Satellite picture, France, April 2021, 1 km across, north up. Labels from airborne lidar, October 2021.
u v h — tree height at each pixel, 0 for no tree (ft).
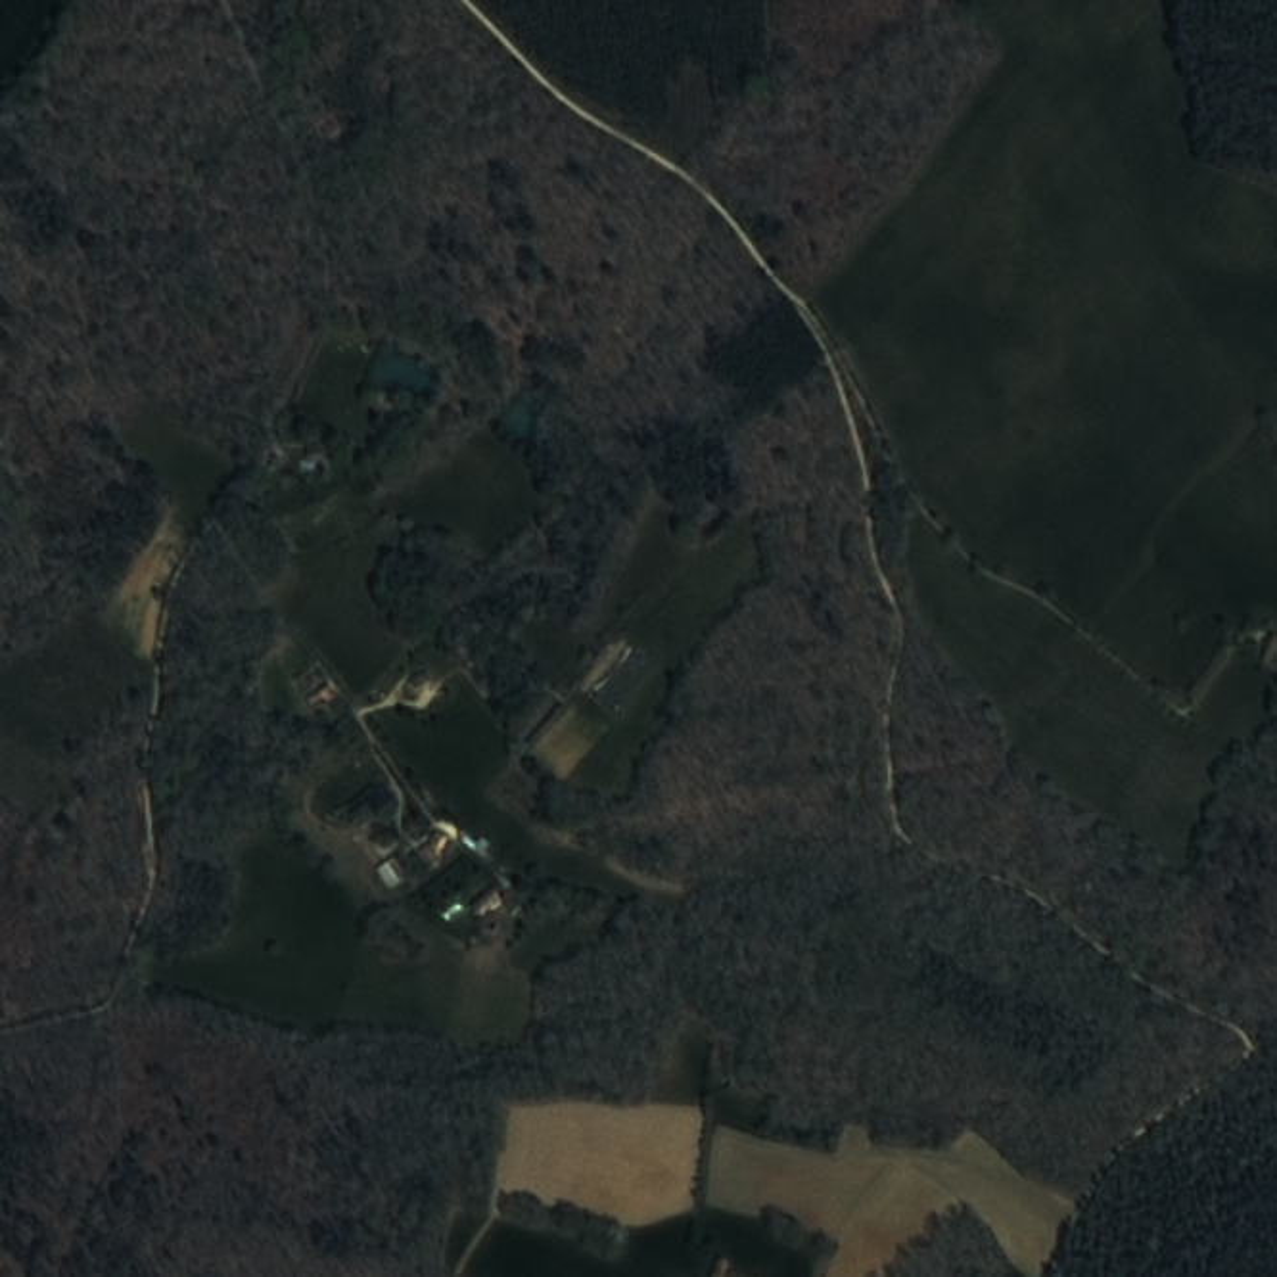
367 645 0
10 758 0
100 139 52
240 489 63
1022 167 0
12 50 0
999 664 0
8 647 31
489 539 0
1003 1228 0
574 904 37
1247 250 0
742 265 42
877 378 0
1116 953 79
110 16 41
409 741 0
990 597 0
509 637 33
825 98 54
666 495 49
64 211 64
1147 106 0
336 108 29
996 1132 74
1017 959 73
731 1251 0
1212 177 0
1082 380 0
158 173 41
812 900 80
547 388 73
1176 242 0
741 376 61
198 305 53
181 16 43
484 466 0
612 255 63
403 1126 65
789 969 66
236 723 59
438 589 65
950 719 56
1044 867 47
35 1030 56
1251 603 0
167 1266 56
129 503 81
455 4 55
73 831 65
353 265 60
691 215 47
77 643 0
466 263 70
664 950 58
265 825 68
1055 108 0
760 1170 0
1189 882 37
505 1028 0
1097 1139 66
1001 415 0
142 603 0
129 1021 46
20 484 69
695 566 0
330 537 0
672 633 0
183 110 43
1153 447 0
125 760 48
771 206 41
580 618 53
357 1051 52
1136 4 0
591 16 35
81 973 63
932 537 0
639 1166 0
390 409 32
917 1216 0
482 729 0
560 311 49
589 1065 74
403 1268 56
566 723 0
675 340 51
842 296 0
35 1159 43
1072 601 0
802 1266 0
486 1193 51
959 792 66
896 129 53
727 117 50
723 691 59
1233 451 0
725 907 67
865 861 68
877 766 39
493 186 34
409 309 71
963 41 49
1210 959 46
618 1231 54
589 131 32
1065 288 0
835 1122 45
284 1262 63
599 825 72
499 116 48
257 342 56
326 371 0
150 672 0
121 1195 47
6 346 43
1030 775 46
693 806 49
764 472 48
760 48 42
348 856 0
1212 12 82
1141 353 0
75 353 65
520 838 0
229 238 45
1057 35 0
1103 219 0
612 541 48
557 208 53
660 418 40
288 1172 49
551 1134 0
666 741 48
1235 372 0
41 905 69
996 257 0
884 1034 71
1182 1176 56
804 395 39
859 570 59
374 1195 69
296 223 44
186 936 87
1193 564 0
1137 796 0
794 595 48
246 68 60
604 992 83
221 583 84
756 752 73
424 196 65
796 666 52
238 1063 22
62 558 37
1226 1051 58
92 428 46
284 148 55
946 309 0
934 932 70
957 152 0
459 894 21
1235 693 0
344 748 0
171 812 57
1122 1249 52
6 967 32
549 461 70
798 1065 44
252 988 0
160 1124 31
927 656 60
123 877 55
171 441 0
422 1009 0
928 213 0
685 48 42
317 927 0
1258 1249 45
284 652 0
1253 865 49
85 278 31
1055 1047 55
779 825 82
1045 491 0
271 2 40
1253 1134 56
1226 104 57
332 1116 56
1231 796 52
